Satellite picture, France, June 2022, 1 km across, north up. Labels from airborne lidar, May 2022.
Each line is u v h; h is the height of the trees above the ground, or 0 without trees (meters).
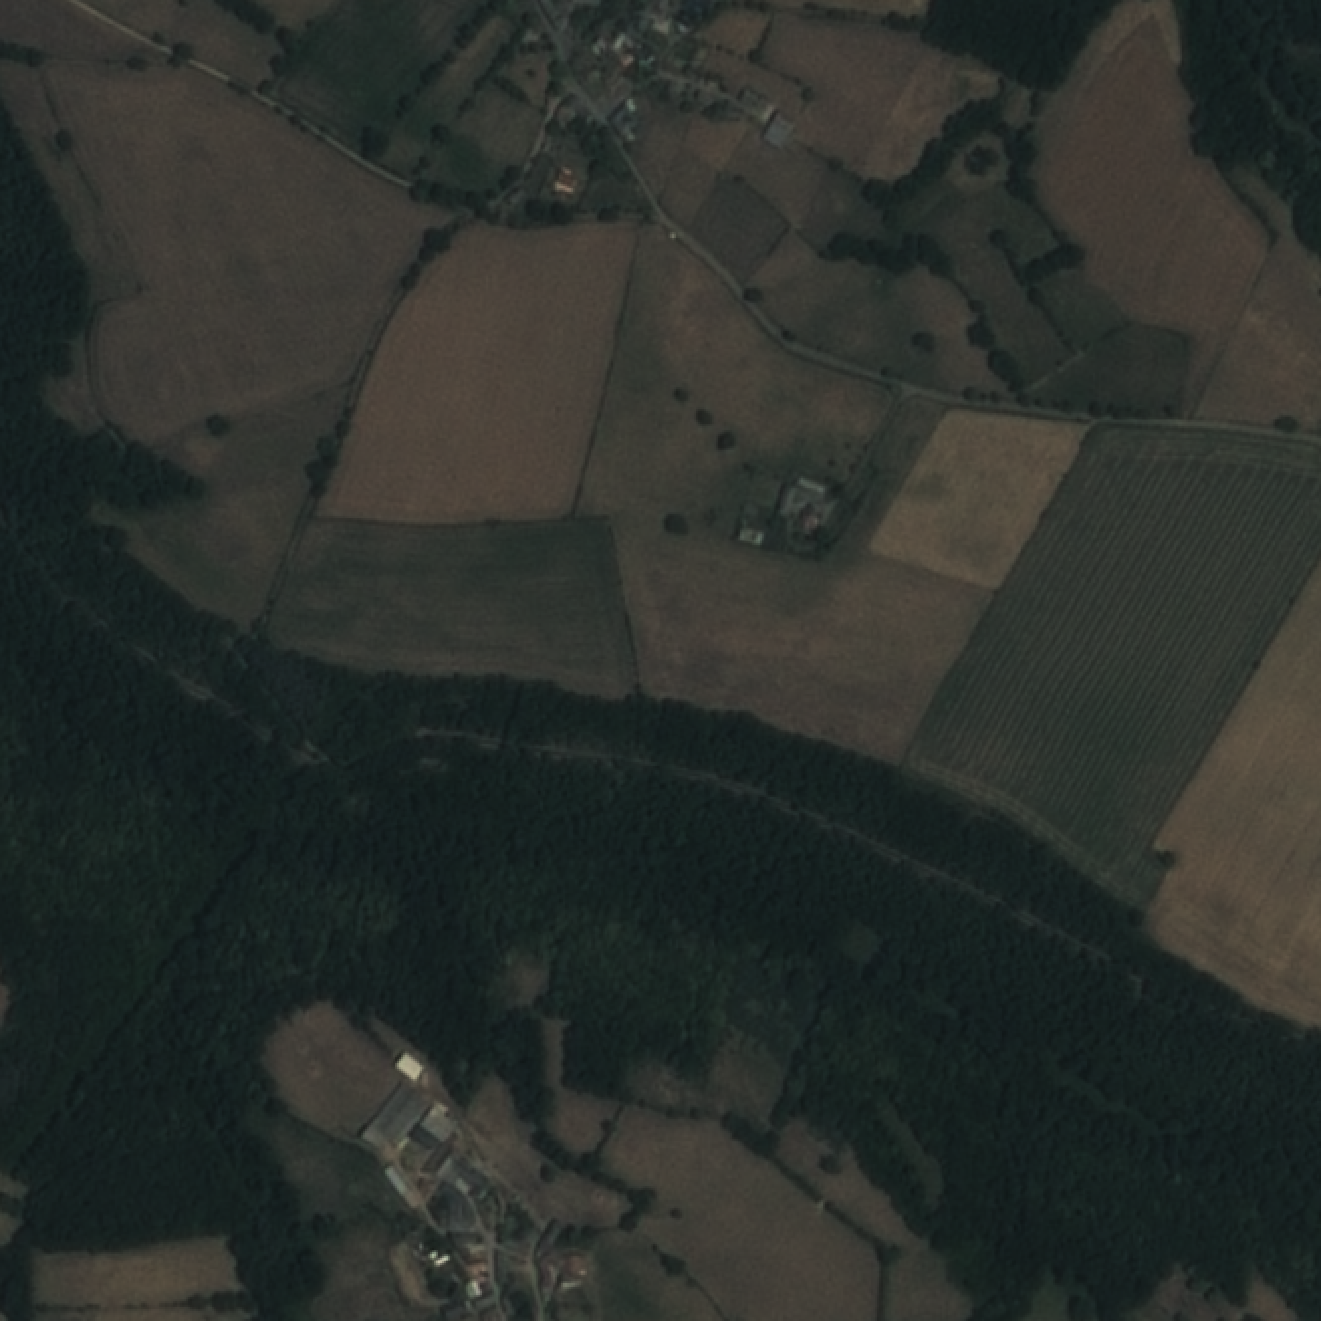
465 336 0
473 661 0
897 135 0
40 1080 16
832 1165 15
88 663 17
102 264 0
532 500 0
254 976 13
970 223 0
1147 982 17
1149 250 0
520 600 0
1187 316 0
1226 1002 14
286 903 11
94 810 17
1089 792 0
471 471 0
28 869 13
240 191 0
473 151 0
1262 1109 15
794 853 15
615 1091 15
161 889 12
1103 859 0
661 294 0
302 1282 20
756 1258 0
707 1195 0
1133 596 0
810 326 0
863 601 0
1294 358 0
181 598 9
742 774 14
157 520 0
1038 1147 16
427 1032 18
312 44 0
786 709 0
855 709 0
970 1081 18
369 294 0
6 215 9
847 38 0
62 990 11
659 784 22
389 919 17
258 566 0
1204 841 0
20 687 20
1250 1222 13
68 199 0
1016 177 17
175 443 0
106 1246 12
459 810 24
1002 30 18
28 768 22
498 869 12
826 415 0
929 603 0
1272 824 0
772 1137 10
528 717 17
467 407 0
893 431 0
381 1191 0
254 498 0
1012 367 13
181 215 0
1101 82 0
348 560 0
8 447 20
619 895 17
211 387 0
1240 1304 14
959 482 0
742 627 0
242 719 9
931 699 0
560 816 17
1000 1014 24
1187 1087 9
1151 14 0
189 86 0
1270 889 0
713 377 0
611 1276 0
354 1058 0
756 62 8
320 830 7
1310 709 0
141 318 0
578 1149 0
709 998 17
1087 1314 17
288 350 0
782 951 14
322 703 21
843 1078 15
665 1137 0
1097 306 0
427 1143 0
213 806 30
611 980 15
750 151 0
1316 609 0
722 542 0
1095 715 0
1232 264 0
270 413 0
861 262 11
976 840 11
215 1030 15
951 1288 0
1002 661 0
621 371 0
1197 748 0
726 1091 0
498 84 8
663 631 0
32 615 14
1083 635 0
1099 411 13
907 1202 12
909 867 10
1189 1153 22
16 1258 25
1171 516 0
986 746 0
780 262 0
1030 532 0
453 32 0
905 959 20
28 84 0
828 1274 0
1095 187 0
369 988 17
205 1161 19
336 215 0
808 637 0
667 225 0
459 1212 0
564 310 0
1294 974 0
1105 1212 9
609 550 0
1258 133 15
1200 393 0
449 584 0
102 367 0
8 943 11
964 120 17
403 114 11
